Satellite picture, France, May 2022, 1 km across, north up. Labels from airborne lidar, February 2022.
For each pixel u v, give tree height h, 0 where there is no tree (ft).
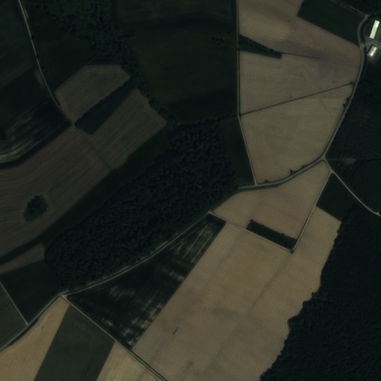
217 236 0
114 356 0
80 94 0
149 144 0
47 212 0
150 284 0
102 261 96
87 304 0
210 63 0
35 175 0
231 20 0
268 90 0
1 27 0
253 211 0
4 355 0
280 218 0
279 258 0
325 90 0
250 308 0
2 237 0
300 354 77
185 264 0
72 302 0
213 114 0
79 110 0
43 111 0
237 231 0
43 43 0
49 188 0
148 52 0
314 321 85
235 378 0
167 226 89
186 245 0
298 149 0
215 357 0
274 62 0
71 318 0
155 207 110
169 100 0
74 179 0
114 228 112
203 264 0
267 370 0
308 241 0
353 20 0
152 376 0
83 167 0
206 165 98
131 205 112
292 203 0
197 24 0
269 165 0
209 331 0
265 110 0
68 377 0
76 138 0
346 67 0
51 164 0
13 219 0
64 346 0
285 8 0
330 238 0
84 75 0
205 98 0
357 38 0
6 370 0
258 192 0
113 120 0
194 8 0
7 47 0
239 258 0
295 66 0
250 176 0
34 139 0
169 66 0
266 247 0
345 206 0
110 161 0
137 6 0
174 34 0
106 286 0
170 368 0
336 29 0
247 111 0
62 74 0
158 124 0
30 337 0
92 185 0
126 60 53
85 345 0
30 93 0
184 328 0
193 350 0
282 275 0
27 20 0
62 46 0
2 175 0
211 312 0
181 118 0
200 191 111
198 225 0
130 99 0
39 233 0
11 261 0
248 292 0
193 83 0
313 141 0
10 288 0
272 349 0
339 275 49
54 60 0
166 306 0
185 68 0
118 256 99
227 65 0
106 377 0
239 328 0
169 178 99
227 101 0
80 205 0
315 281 0
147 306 0
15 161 0
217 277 0
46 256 44
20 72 0
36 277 0
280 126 0
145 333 0
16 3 0
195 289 0
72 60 0
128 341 0
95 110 58
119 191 0
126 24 0
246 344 0
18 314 0
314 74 0
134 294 0
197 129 57
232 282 0
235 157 0
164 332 0
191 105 0
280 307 0
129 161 0
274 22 0
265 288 0
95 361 0
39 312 0
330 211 0
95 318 0
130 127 0
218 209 0
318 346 78
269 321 0
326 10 0
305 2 0
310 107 0
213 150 107
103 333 0
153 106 51
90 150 0
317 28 0
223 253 0
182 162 92
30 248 0
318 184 0
